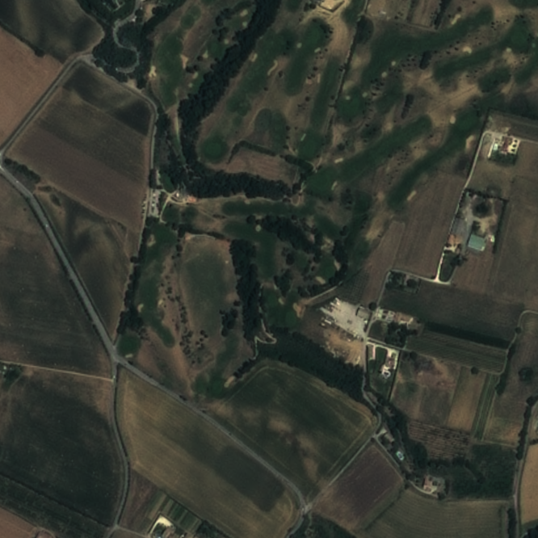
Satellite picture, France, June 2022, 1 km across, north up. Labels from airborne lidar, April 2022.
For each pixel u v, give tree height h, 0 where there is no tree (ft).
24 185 0
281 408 0
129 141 0
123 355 0
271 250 0
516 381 0
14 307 0
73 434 0
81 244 0
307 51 0
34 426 0
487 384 0
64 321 0
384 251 0
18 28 0
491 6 0
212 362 0
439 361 0
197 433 0
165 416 0
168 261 0
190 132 27
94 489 0
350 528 0
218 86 39
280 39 0
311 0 0
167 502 0
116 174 0
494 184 0
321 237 46
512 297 0
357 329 0
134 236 0
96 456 0
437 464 29
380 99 0
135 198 0
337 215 0
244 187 43
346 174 0
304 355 20
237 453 0
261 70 0
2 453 0
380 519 0
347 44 0
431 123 0
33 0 0
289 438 0
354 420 0
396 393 0
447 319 0
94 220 0
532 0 0
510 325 0
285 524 0
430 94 0
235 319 22
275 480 0
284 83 0
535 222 0
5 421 0
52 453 0
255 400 0
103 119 0
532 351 0
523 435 37
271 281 0
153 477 0
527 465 0
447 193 0
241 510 0
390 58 0
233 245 33
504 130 0
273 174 0
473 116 0
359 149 0
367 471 0
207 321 0
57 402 0
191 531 0
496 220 0
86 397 0
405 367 0
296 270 0
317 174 0
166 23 0
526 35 0
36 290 0
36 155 0
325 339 0
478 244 0
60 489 0
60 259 27
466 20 0
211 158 0
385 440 41
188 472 0
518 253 0
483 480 21
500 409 0
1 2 0
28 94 0
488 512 0
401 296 0
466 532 0
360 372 32
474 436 0
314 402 0
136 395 0
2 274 0
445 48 0
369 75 0
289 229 29
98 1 35
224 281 0
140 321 40
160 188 50
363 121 0
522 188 0
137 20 26
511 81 0
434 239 0
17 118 0
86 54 0
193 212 0
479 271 0
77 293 25
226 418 0
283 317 0
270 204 0
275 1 58
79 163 0
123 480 0
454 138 0
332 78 0
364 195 0
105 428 0
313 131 0
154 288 0
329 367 19
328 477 0
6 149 0
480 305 0
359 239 0
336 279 43
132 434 0
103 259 0
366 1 0
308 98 21
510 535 31
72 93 0
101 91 0
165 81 0
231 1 0
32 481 0
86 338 0
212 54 0
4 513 0
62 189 0
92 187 0
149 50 37
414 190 0
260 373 0
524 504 0
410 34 0
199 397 0
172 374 0
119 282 0
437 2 0
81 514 33
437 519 0
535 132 0
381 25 0
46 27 0
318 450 0
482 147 0
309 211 0
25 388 0
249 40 55
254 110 0
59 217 0
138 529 0
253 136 0
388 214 0
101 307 0
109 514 0
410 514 0
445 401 0
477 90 0
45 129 0
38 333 0
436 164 0
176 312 0
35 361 0
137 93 0
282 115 0
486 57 0
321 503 0
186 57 0
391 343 24
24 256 0
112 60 37
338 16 0
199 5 0
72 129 0
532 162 0
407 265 0
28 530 0
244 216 0
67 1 0
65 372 0
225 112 0
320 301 0
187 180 27
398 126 0
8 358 0
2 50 0
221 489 0
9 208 0
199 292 0
